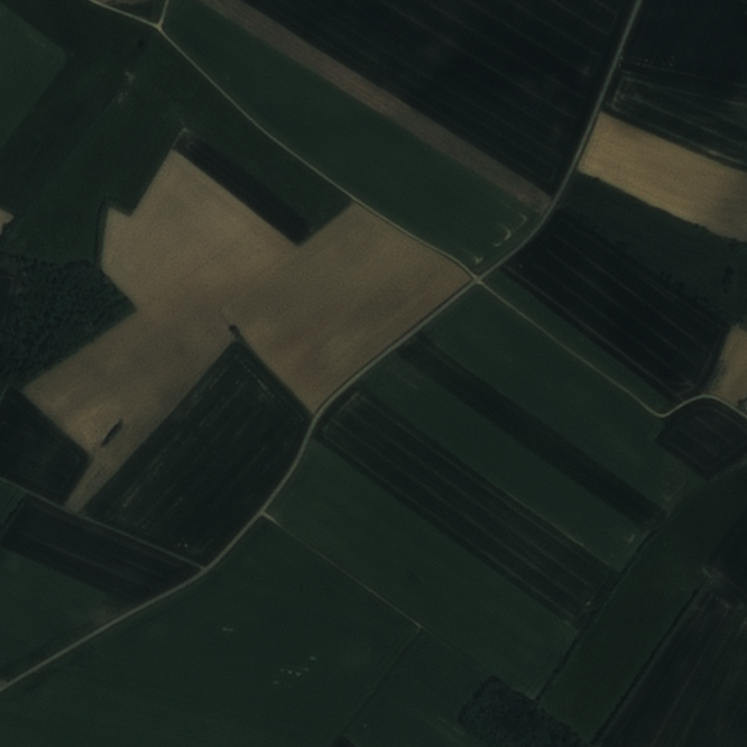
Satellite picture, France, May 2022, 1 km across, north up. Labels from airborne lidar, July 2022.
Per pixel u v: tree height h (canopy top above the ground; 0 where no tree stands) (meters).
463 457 0
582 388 0
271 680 0
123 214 0
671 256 0
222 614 0
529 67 0
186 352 0
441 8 0
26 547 0
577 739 14
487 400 0
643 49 0
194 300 0
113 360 0
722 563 0
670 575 0
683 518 0
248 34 0
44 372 9
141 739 0
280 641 0
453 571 0
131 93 0
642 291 0
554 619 0
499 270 0
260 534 0
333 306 0
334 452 0
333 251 0
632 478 0
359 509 0
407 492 0
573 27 0
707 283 0
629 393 0
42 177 0
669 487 0
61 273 16
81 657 0
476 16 0
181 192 0
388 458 0
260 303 0
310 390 0
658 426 0
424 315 0
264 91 0
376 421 0
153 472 0
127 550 0
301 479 0
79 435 0
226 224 0
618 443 0
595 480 0
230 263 0
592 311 0
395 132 0
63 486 0
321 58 0
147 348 0
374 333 0
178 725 0
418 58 0
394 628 0
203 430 0
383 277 0
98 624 0
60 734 0
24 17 0
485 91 0
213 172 0
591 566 0
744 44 0
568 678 0
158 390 0
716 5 0
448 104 0
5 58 0
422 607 0
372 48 0
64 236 0
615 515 0
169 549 0
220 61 0
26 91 0
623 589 0
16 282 0
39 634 0
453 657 0
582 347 0
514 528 0
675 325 0
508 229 0
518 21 0
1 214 0
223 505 0
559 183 0
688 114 0
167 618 0
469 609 0
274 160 0
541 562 0
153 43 0
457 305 0
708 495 0
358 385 0
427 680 0
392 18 0
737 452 0
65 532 0
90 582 0
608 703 0
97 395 0
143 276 0
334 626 0
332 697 0
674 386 0
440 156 0
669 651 0
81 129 0
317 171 0
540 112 0
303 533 0
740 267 0
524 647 0
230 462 0
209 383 0
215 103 0
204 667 0
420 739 0
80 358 0
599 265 0
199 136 0
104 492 0
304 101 0
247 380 0
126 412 0
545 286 0
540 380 0
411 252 0
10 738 0
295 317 0
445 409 0
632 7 0
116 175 0
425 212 0
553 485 0
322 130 0
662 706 0
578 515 0
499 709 25
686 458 0
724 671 0
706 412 0
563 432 0
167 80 0
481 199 0
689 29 0
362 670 0
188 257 0
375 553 0
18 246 0
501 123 0
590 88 0
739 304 0
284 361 0
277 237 0
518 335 0
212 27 0
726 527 0
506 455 0
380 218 0
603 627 0
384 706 0
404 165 0
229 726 0
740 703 0
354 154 0
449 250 0
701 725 0
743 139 0
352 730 0
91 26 0
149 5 0
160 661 0
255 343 0
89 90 0
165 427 0
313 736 0
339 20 0
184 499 0
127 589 0
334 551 0
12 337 15
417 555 0
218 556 0
